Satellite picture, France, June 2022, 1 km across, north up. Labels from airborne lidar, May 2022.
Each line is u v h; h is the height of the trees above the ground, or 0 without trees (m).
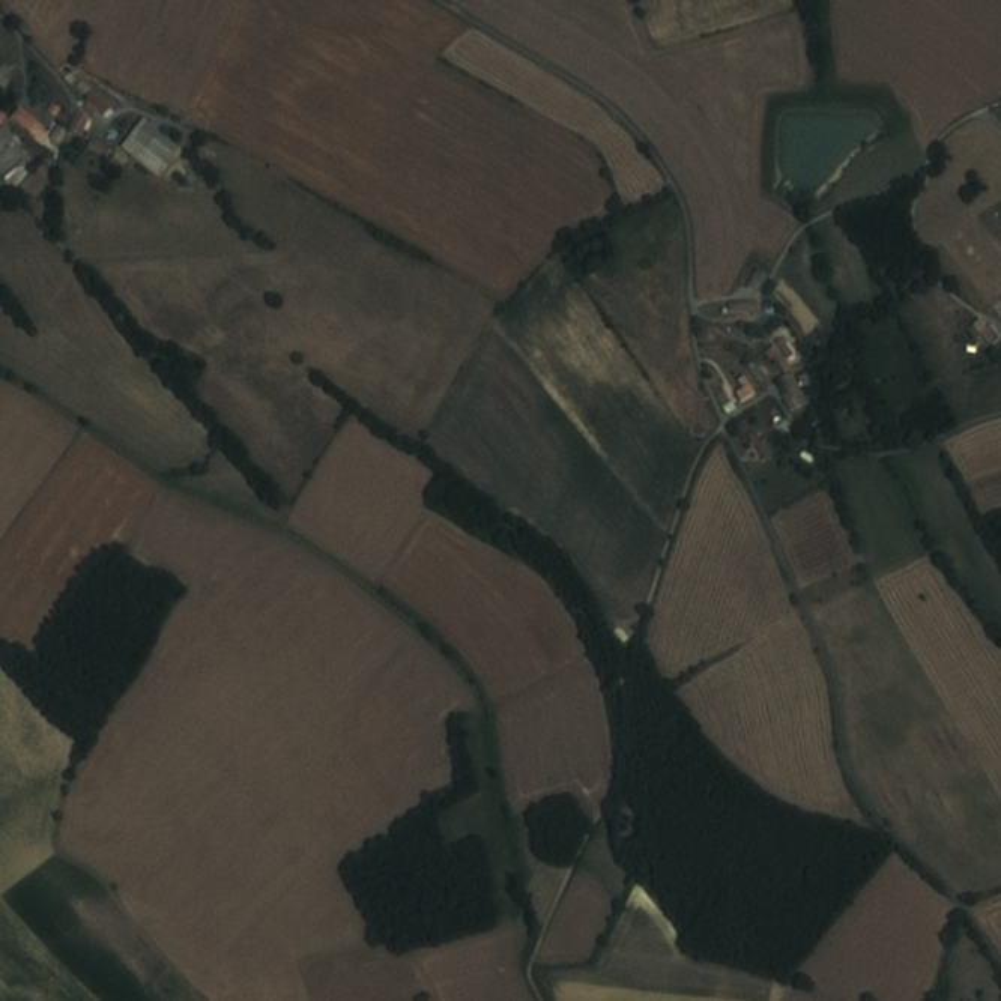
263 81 0
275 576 0
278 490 13
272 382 0
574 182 0
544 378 0
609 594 0
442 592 0
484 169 0
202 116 0
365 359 0
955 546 0
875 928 0
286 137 0
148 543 0
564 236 15
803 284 0
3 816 0
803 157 0
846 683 0
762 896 15
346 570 0
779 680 0
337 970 0
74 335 0
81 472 0
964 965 0
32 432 0
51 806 0
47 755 0
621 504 0
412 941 17
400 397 0
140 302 0
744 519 0
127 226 0
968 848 0
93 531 0
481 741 0
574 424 0
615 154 0
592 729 0
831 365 9
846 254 0
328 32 0
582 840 14
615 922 7
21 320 11
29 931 0
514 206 0
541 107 0
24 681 15
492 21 0
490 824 0
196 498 0
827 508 0
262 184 0
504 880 0
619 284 0
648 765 15
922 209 0
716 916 15
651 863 17
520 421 0
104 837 0
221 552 0
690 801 15
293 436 0
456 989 0
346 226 0
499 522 12
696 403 0
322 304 0
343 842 0
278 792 0
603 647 13
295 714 0
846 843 7
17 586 0
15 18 14
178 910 0
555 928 0
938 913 0
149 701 0
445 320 0
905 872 0
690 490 0
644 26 0
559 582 12
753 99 0
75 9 0
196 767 0
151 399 0
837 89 0
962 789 0
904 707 0
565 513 0
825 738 0
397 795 0
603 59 0
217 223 0
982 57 0
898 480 5
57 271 0
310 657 0
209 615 0
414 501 0
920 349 13
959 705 0
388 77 0
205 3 0
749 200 0
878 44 0
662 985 0
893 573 0
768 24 0
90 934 0
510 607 0
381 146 0
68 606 19
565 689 0
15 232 0
